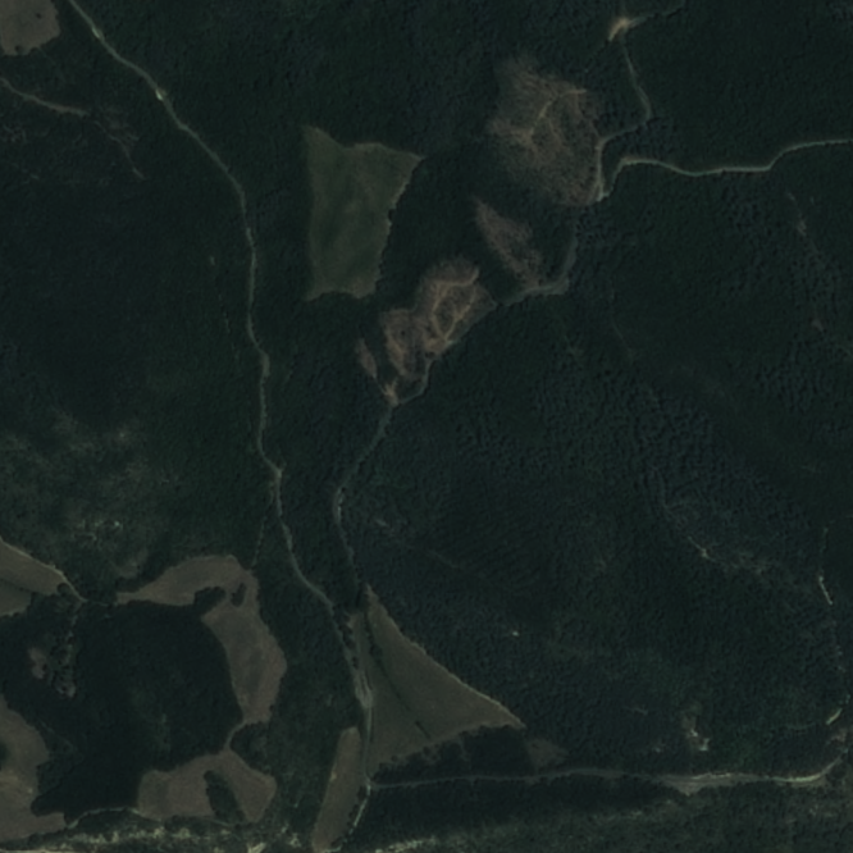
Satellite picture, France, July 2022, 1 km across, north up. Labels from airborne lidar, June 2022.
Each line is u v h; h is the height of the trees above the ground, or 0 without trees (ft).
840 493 31
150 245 31
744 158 27
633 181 33
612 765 19
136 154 20
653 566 47
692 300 44
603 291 29
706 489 55
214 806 24
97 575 18
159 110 22
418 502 32
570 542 26
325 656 23
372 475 24
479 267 49
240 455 31
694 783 0
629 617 21
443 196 41
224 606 0
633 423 60
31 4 0
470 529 18
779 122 35
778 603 41
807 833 24
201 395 42
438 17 41
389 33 55
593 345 39
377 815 23
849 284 20
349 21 37
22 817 0
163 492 21
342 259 0
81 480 21
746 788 26
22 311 34
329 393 58
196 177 33
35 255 25
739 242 50
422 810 19
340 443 32
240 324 40
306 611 37
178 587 0
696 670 22
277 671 0
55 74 23
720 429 31
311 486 32
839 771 33
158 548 30
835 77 39
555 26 37
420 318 0
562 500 29
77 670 37
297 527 29
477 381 38
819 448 52
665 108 29
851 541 25
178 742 26
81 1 22
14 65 29
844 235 26
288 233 54
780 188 25
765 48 26
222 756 0
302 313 33
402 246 40
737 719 32
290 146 24
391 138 52
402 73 33
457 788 25
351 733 0
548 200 20
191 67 22
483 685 30
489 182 23
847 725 25
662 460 58
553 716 30
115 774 26
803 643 33
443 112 43
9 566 0
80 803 25
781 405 35
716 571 40
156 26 30
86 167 22
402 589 35
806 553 30
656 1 54
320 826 0
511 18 24
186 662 34
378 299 31
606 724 49
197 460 41
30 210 24
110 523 24
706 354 22
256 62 40
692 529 24
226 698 26
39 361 34
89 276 28
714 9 24
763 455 30
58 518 26
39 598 41
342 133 48
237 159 38
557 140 0
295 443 35
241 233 34
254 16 58
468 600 25
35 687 30
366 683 0
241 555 36
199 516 26
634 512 43
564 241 29
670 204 44
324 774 23
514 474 49
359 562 37
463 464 32
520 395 31
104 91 26
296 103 20
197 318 31
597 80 44
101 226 24
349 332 35
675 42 35
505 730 30
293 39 55
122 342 26
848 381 37
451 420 32
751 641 36
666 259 40
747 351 35
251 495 44
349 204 0
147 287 24
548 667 36
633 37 37
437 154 25
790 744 45
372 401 35
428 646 22
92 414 23
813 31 50
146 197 26
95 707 18
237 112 60
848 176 44
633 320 24
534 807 22
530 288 0
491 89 56
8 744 0
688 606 34
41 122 29
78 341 30
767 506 61
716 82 24
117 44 32
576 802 21
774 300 28
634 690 37
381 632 0
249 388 22
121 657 20
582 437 55
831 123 40
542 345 34
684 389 26
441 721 0
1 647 40
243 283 29
